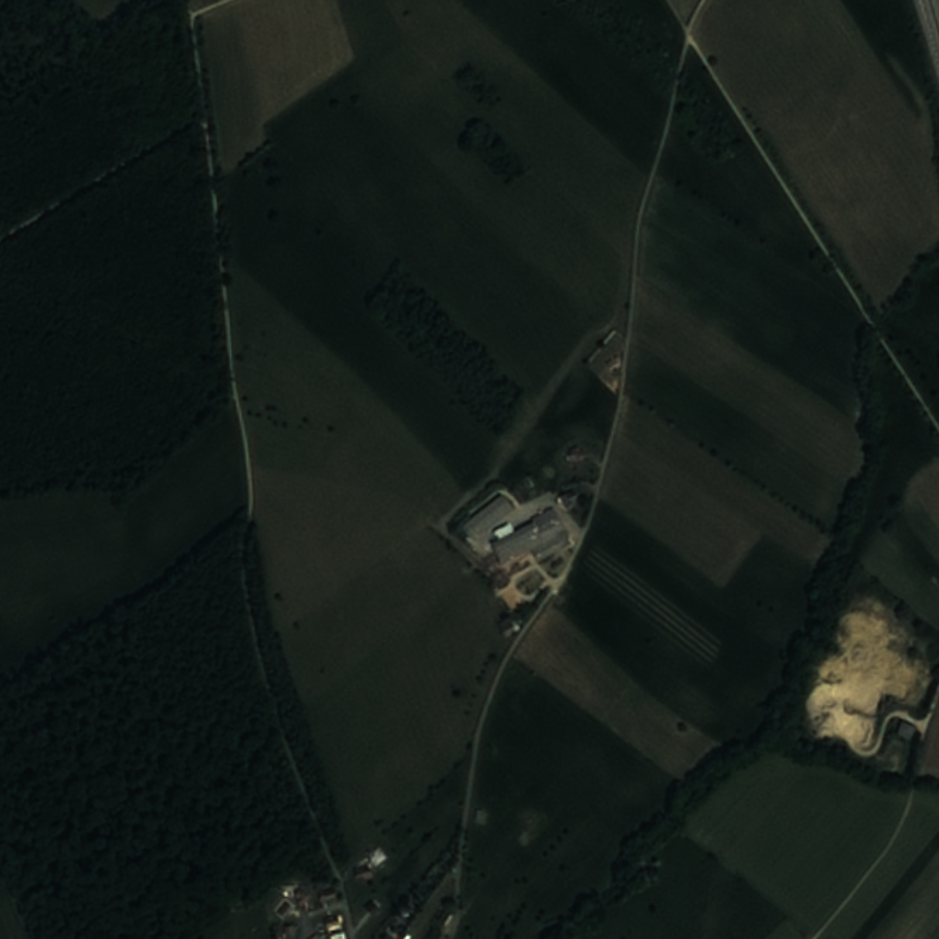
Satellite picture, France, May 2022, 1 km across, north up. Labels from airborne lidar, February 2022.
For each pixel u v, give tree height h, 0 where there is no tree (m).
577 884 0
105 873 30
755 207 0
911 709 0
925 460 0
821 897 0
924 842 0
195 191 18
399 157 0
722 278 0
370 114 0
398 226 0
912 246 0
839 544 13
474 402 15
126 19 19
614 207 0
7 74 12
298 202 0
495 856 0
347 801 0
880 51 0
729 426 0
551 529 0
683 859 0
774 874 0
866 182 0
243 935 0
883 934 0
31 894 21
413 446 0
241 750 24
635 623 0
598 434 0
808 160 0
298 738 15
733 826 0
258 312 0
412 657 0
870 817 0
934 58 0
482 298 0
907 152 0
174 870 29
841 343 0
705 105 8
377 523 0
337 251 0
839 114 0
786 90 0
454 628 0
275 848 26
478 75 13
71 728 27
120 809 28
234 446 0
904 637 0
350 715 0
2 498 16
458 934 0
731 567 0
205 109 9
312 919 0
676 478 0
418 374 0
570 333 0
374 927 0
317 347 0
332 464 0
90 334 12
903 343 0
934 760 0
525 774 0
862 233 0
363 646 0
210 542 12
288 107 0
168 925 22
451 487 0
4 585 0
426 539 0
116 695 21
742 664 0
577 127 0
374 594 0
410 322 22
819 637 21
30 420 13
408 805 0
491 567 0
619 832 0
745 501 0
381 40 0
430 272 0
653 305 0
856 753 0
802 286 0
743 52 0
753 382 0
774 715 18
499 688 0
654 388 0
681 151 0
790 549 0
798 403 0
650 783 0
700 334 0
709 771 17
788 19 0
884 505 0
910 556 0
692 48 0
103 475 11
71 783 27
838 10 0
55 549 0
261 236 0
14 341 10
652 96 0
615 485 0
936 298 0
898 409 0
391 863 0
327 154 0
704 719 0
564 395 0
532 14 0
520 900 0
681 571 0
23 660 0
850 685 0
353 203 0
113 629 23
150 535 0
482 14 0
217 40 0
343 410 0
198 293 13
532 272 0
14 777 10
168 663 17
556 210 0
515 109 0
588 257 0
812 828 0
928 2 0
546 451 0
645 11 0
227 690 17
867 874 0
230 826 16
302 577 0
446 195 0
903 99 0
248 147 0
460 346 9
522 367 0
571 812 0
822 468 0
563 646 0
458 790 0
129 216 11
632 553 0
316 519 0
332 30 0
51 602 0
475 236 0
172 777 24
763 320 0
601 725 0
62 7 22
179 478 0
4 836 21
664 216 0
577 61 0
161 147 9
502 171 8
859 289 13
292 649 0
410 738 0
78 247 12
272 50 0
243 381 0
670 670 0
